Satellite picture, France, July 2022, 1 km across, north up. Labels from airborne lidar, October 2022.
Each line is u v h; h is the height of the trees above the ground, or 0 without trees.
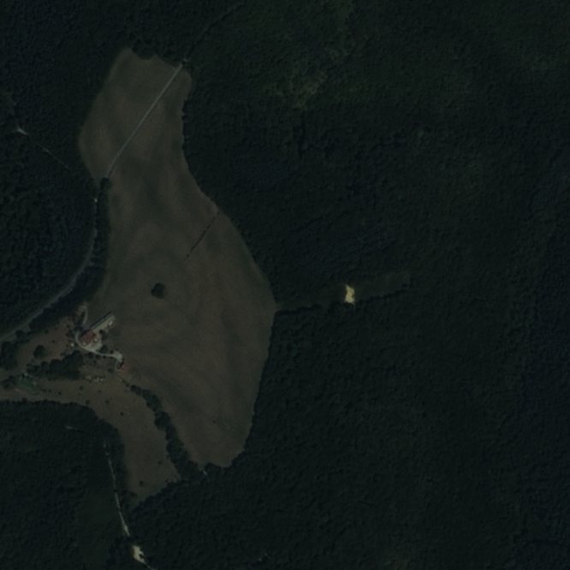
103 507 0
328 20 11
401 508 24
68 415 16
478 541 23
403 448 23
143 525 20
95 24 25
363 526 25
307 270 24
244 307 0
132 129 0
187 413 0
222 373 0
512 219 20
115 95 0
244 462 21
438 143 27
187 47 19
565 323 22
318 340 19
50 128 22
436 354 21
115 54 16
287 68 10
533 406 16
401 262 21
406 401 24
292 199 29
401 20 18
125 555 25
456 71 14
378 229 14
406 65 18
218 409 0
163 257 0
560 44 10
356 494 29
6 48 17
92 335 0
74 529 21
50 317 22
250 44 13
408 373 25
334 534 22
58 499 27
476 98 14
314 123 21
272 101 14
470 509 26
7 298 14
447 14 26
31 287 9
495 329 21
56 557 19
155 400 13
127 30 20
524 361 26
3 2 29
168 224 0
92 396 0
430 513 19
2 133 9
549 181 21
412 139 17
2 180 11
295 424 29
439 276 26
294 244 32
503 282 23
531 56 9
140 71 0
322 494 19
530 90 20
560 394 18
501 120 26
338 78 13
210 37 17
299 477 19
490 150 22
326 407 27
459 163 14
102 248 13
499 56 18
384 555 13
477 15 18
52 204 20
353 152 26
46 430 16
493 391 11
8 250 24
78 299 22
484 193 19
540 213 26
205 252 0
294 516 26
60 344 0
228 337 0
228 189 26
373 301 22
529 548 21
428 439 19
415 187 23
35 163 21
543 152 21
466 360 21
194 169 18
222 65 17
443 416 27
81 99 19
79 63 20
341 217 31
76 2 26
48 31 27
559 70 15
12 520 28
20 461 21
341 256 17
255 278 0
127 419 0
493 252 19
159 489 0
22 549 22
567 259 15
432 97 19
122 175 0
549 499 24
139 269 0
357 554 26
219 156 32
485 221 23
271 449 24
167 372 0
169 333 0
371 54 17
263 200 27
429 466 25
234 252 0
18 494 24
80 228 21
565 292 16
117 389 0
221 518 20
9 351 19
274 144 35
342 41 8
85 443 20
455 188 14
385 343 22
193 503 20
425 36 27
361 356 24
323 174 31
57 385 0
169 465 0
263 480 24
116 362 0
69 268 25
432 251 18
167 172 0
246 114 23
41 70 29
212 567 24
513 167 31
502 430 23
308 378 29
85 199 16
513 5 12
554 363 20
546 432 19
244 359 0
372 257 24
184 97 0
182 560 22
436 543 20
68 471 29
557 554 25
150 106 0
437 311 23
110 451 12
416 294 19
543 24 15
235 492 24
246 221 23
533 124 24
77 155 17
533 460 20
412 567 17
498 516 20
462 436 23
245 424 0
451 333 23
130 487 0
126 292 0
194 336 0
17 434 11
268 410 24
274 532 22
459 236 23
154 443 0
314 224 32
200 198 0
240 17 19
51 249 22
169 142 0
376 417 18
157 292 12
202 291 0
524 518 7
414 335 22
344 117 20
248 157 29
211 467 16
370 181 29
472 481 30
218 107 25
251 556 21
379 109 19
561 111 15
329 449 27
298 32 11
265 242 30
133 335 0
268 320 0
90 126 0
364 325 24
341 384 23
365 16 11
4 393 0
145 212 0
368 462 24
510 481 26
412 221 24
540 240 9
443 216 20
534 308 16
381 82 14
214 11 19
